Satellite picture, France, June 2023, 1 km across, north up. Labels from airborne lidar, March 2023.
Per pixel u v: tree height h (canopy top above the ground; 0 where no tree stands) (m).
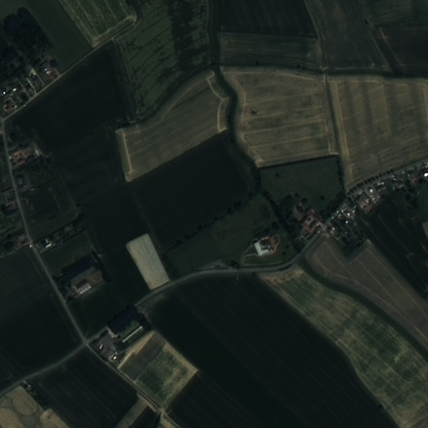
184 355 0
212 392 0
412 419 0
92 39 0
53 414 0
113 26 0
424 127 0
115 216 0
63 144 0
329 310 0
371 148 0
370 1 0
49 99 0
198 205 0
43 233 0
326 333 0
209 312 0
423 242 0
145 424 0
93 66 0
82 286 0
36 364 0
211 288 0
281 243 0
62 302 0
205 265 0
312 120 0
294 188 0
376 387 0
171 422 0
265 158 0
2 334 0
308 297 0
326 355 0
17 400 0
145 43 0
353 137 0
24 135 0
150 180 0
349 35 0
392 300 0
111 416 0
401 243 0
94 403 0
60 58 0
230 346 0
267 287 0
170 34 0
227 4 0
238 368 0
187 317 0
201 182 0
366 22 8
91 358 0
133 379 0
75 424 0
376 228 0
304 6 0
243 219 0
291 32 0
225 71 0
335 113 0
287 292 0
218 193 0
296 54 0
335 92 0
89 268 0
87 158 0
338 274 0
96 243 0
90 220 0
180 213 0
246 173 0
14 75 9
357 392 0
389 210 0
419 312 0
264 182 0
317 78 0
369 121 0
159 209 0
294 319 0
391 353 0
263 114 0
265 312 0
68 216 0
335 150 0
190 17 0
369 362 0
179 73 0
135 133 0
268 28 0
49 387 0
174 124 0
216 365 0
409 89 0
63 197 0
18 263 0
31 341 0
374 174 0
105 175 0
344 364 0
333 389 0
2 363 0
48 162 14
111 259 0
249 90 0
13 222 0
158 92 0
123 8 0
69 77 0
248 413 0
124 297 0
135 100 0
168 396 0
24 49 29
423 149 0
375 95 0
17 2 0
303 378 0
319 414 0
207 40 0
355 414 0
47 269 0
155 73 0
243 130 0
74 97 0
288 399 0
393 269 0
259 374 0
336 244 0
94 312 0
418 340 0
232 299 0
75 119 0
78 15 0
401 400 0
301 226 6
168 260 7
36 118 0
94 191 0
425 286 0
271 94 0
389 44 0
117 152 0
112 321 0
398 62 0
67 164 0
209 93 0
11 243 10
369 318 0
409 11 0
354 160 0
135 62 0
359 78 0
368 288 0
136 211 0
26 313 0
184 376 0
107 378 0
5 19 0
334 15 0
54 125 0
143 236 0
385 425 0
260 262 0
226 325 0
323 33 0
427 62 0
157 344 0
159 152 0
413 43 0
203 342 0
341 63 0
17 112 0
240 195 0
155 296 0
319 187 0
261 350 0
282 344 0
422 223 0
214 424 0
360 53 0
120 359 0
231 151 0
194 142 0
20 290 0
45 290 0
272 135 0
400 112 0
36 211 0
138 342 0
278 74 0
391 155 0
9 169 0
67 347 0
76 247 0
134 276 0
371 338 0
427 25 0
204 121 0
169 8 0
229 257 0
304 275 0
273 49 0
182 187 0
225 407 0
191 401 0
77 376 0
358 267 0
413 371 0
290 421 0
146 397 0
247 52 0
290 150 0
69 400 0
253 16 0
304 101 0
